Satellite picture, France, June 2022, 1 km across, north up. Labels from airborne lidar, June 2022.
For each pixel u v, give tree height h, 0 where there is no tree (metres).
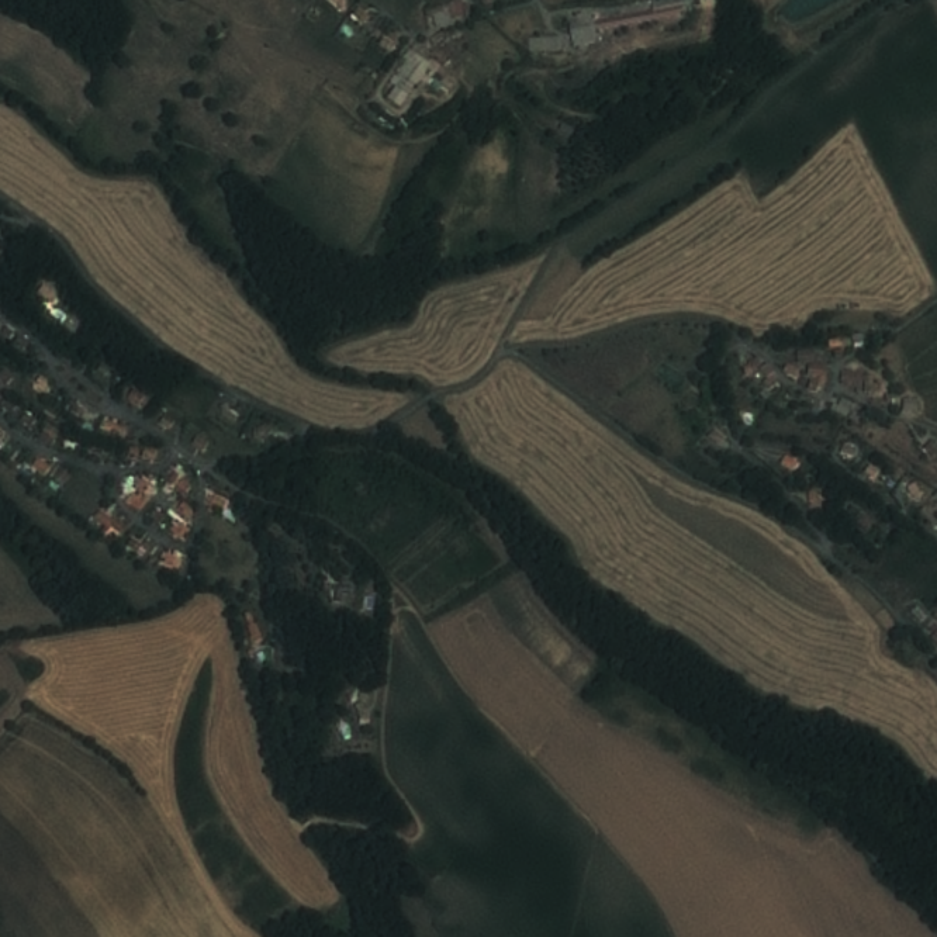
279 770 19
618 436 0
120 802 0
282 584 21
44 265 23
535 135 0
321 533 8
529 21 0
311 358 13
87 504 0
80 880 0
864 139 0
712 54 11
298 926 20
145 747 0
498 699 0
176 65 0
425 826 0
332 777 19
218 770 0
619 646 25
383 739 0
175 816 0
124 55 8
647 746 0
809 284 0
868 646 0
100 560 0
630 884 0
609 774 0
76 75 0
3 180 0
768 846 0
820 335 8
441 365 0
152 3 0
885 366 6
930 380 0
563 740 0
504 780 0
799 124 0
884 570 0
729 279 0
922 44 0
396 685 0
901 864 13
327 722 16
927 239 0
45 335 17
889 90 0
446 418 15
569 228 13
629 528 0
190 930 0
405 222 7
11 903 0
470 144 12
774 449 0
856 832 14
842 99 0
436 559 0
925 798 14
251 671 19
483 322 0
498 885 0
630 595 0
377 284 20
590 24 0
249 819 0
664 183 0
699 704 22
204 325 0
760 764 19
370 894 16
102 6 24
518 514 11
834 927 0
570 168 18
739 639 0
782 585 0
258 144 14
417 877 21
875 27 0
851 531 15
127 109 0
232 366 0
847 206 0
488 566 0
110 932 0
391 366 0
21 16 14
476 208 0
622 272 0
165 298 0
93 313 22
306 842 18
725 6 21
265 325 0
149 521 8
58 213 0
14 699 0
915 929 0
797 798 10
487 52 0
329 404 0
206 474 8
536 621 0
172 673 0
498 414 0
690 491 0
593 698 8
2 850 0
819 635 0
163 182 10
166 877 0
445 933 0
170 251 0
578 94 11
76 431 17
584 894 0
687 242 0
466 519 7
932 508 0
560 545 16
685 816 0
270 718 12
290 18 0
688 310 0
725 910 0
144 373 22
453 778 0
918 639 11
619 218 0
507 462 0
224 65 0
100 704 0
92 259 0
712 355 16
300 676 18
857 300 0
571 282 0
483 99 6
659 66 6
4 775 0
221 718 0
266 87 0
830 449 9
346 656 20
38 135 0
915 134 0
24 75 0
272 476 14
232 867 0
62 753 0
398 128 7
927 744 0
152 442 14
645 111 19
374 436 10
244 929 0
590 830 0
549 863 0
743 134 0
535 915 0
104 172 9
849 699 0
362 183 0
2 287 23
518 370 0
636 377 0
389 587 10
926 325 0
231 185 16
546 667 0
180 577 12
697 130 0
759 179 0
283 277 19
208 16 0
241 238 17
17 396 12
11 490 0
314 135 0
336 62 0
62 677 0
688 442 0
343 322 9
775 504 19
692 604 0
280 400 0
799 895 0
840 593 0
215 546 0
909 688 0
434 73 0
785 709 27
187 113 0
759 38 19
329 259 17
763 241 0
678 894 0
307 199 0
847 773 10
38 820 0
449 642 0
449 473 19
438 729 0
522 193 0
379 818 26
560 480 0
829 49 0
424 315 0
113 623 19
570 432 0
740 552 0
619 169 10
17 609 0
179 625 0
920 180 0
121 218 0
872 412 13
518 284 0
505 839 0
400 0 0
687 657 15
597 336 0
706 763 0
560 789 0
